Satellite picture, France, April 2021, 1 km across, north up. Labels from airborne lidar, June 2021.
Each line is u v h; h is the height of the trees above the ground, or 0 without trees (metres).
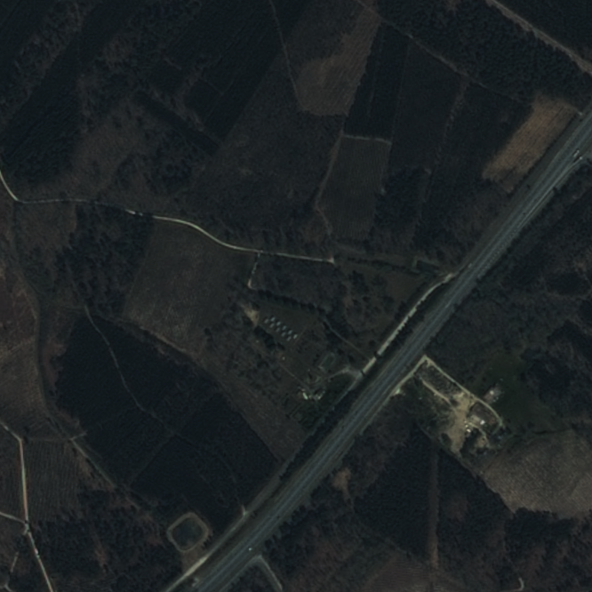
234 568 0
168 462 10
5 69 10
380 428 13
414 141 9
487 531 22
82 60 11
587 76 6
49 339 0
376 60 10
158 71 8
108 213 22
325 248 15
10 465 13
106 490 9
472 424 0
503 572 10
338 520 6
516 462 0
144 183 16
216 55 10
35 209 22
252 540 0
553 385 9
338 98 0
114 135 16
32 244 16
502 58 20
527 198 0
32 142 17
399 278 0
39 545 22
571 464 0
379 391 0
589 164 11
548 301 14
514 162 0
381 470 15
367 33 0
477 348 13
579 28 12
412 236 11
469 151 8
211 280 0
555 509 0
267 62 6
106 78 0
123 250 19
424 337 0
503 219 0
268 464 16
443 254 16
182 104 10
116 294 15
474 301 17
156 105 8
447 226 8
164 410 16
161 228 0
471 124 11
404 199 16
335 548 12
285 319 0
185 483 9
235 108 7
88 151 18
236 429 17
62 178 16
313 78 0
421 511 17
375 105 10
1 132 18
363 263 12
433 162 9
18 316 0
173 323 0
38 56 23
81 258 22
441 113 9
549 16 13
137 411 11
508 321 16
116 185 19
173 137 10
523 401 0
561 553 12
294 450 0
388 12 22
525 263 9
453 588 0
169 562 10
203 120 9
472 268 0
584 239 6
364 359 6
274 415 0
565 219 9
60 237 16
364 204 0
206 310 0
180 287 0
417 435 18
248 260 0
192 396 17
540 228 14
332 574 10
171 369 9
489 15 21
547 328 14
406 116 9
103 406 10
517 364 0
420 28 23
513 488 0
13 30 10
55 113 17
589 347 11
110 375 9
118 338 10
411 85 9
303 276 15
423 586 0
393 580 0
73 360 10
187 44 10
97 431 11
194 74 14
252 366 17
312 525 14
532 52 23
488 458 17
